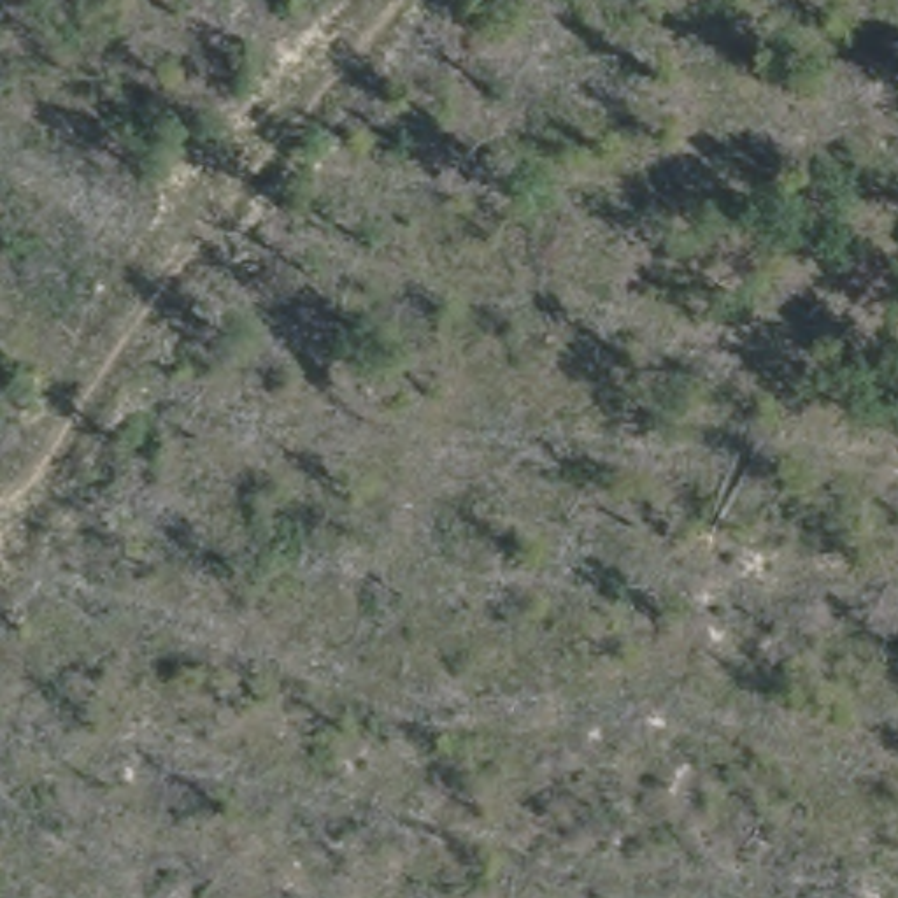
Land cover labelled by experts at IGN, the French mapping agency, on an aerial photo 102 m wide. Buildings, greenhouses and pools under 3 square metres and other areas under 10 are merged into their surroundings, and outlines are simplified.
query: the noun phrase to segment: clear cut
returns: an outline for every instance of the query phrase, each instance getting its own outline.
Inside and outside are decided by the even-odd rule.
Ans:
[[[123,274],[133,263],[151,277],[161,274],[154,267],[161,263],[161,253],[147,242],[140,246],[137,260],[126,253],[123,242],[112,242],[105,256],[88,253],[84,225],[70,210],[56,207],[49,196],[42,200],[14,186],[11,175],[0,175],[0,898],[898,898],[898,526],[887,526],[880,519],[877,565],[870,575],[856,568],[856,558],[842,561],[835,554],[800,551],[800,526],[782,523],[782,502],[789,498],[786,484],[765,488],[758,477],[747,477],[740,484],[730,481],[737,460],[730,453],[709,449],[702,438],[684,445],[663,442],[659,431],[638,435],[635,424],[603,431],[603,414],[593,403],[586,382],[568,379],[561,365],[544,361],[509,368],[498,337],[484,333],[470,316],[453,333],[438,330],[435,347],[421,347],[410,358],[414,365],[389,382],[361,379],[347,365],[333,361],[333,382],[316,389],[302,375],[295,354],[270,330],[253,361],[239,361],[232,354],[210,375],[182,368],[175,375],[158,375],[154,361],[172,358],[175,337],[165,323],[154,323],[147,316],[151,305],[144,305],[133,295]]]

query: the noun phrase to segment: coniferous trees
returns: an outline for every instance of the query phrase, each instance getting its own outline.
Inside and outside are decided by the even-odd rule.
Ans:
[[[302,32],[333,0],[263,0],[267,11],[284,11]]]
[[[193,42],[179,60],[172,60],[158,46],[144,46],[140,53],[133,53],[123,32],[130,28],[130,7],[137,0],[0,0],[0,95],[25,95],[35,105],[35,116],[49,126],[49,133],[56,133],[63,144],[77,151],[95,147],[116,158],[119,168],[133,179],[165,179],[172,165],[186,161],[193,168],[225,172],[235,182],[242,182],[235,207],[228,210],[228,217],[214,225],[221,228],[221,242],[207,242],[179,274],[161,274],[151,277],[133,263],[123,274],[133,295],[144,305],[151,305],[147,316],[154,323],[165,323],[175,337],[172,358],[154,361],[158,375],[175,375],[182,368],[210,375],[232,354],[239,361],[253,361],[270,330],[295,354],[302,375],[316,389],[333,382],[333,361],[347,365],[361,379],[389,382],[414,365],[410,358],[421,347],[435,347],[438,330],[453,333],[470,316],[484,333],[498,337],[509,368],[544,361],[561,365],[568,379],[586,382],[593,403],[603,414],[603,431],[635,424],[638,435],[659,431],[663,442],[684,445],[702,438],[709,449],[730,453],[737,460],[730,481],[740,484],[747,477],[758,477],[765,488],[786,484],[789,498],[782,502],[782,523],[800,526],[800,551],[835,554],[842,561],[856,558],[856,568],[870,575],[877,565],[880,519],[887,526],[898,526],[898,0],[421,0],[424,14],[410,32],[407,49],[400,53],[400,63],[386,77],[354,49],[347,60],[333,67],[337,84],[319,102],[319,109],[288,105],[274,116],[260,105],[260,95],[253,88],[267,74],[263,46],[256,39],[242,42],[228,28],[210,28],[200,21],[196,28],[189,28]],[[260,140],[274,144],[274,158],[263,172],[253,172],[239,161],[232,126],[221,119],[221,102],[235,95],[242,95],[253,105],[249,119]]]

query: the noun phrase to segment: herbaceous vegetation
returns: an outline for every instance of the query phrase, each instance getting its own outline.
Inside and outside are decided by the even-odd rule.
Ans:
[[[337,84],[333,67],[347,60],[354,49],[386,77],[400,63],[400,53],[407,49],[410,32],[424,14],[421,0],[333,0],[302,32],[284,11],[267,11],[263,0],[137,0],[130,7],[130,28],[123,32],[133,53],[140,53],[144,46],[158,46],[172,60],[179,60],[193,42],[189,28],[196,28],[200,21],[210,28],[228,28],[242,42],[256,39],[263,46],[267,74],[253,88],[260,95],[260,105],[274,116],[288,105],[319,109],[319,102]]]
[[[242,182],[235,182],[225,172],[193,168],[186,161],[172,165],[165,179],[133,179],[119,168],[116,158],[95,147],[77,151],[63,144],[56,133],[49,133],[49,126],[35,116],[35,105],[25,95],[0,95],[0,175],[11,175],[14,186],[42,200],[49,196],[56,207],[70,210],[84,225],[88,253],[105,256],[112,242],[123,242],[126,253],[137,260],[140,246],[147,242],[161,253],[161,263],[154,267],[161,274],[179,274],[207,242],[221,242],[221,228],[214,225],[228,217],[228,210],[235,207]]]
[[[242,95],[235,95],[221,102],[221,119],[232,126],[239,161],[253,172],[263,172],[274,158],[274,144],[260,140],[249,119],[253,105]]]

